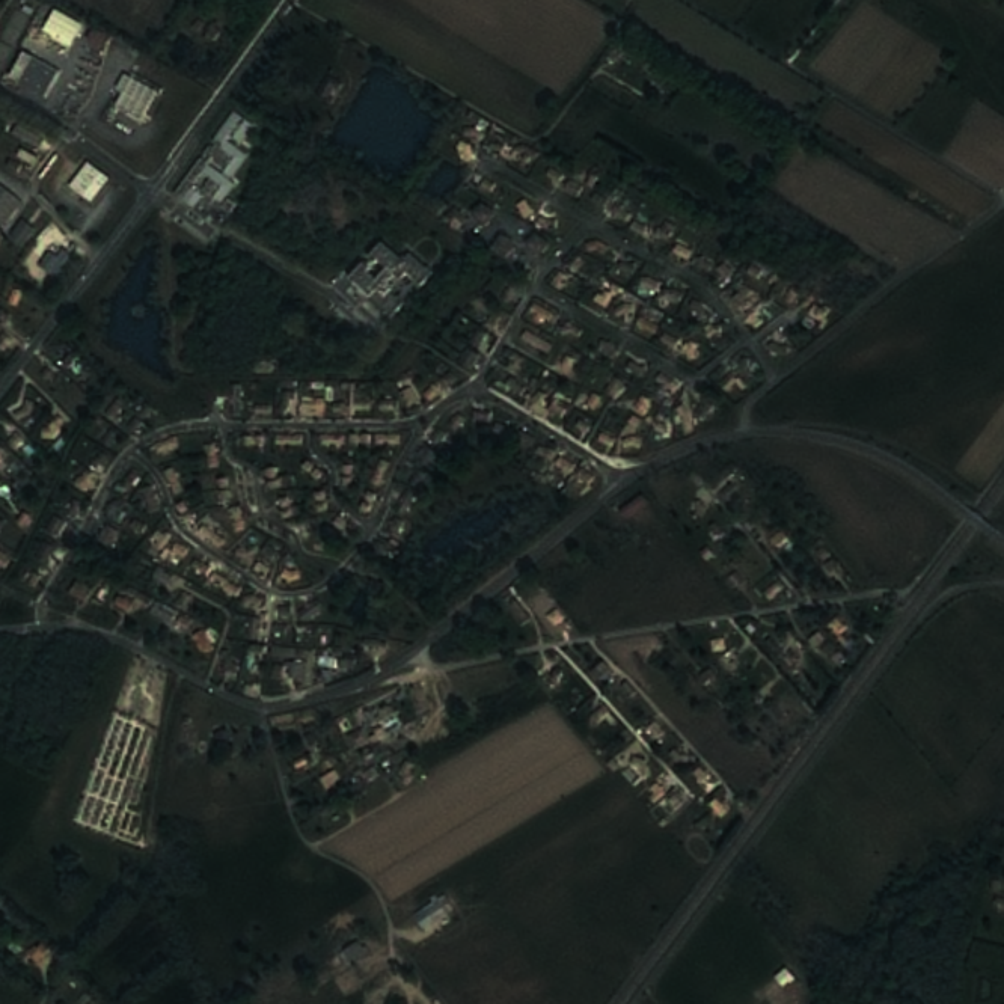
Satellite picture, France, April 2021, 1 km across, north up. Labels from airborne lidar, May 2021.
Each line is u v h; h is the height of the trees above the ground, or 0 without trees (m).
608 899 0
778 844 0
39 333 0
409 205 14
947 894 18
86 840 0
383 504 0
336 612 11
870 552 0
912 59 0
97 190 0
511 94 0
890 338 0
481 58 0
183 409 0
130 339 0
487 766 0
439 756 0
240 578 0
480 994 0
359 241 9
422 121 0
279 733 9
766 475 13
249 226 19
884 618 6
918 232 0
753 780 0
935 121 0
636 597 0
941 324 0
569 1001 0
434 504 11
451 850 0
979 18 0
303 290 0
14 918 16
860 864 0
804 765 0
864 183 0
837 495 0
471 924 0
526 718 0
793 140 24
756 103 25
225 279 14
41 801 0
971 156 0
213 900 0
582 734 0
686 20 0
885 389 0
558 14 0
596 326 0
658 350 0
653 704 0
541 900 0
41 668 15
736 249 20
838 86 0
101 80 0
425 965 0
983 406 0
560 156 14
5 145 0
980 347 0
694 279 0
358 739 0
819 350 0
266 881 0
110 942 15
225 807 0
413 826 0
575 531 0
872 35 0
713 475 8
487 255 20
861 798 0
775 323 0
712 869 0
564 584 7
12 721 16
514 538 9
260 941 0
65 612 0
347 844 0
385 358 7
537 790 0
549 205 0
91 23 14
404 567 18
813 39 12
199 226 0
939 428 0
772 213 11
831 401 0
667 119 0
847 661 7
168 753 0
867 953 20
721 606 0
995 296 0
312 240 7
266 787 0
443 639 9
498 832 0
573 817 0
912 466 0
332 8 0
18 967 13
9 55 0
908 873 9
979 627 0
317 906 0
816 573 9
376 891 0
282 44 16
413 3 0
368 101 0
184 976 11
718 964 0
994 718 0
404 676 0
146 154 0
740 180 11
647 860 0
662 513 0
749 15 0
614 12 10
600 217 0
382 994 0
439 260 0
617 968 0
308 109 0
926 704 0
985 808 0
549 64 0
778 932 12
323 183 16
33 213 0
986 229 0
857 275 9
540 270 0
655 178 12
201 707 0
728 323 9
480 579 11
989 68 0
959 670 0
